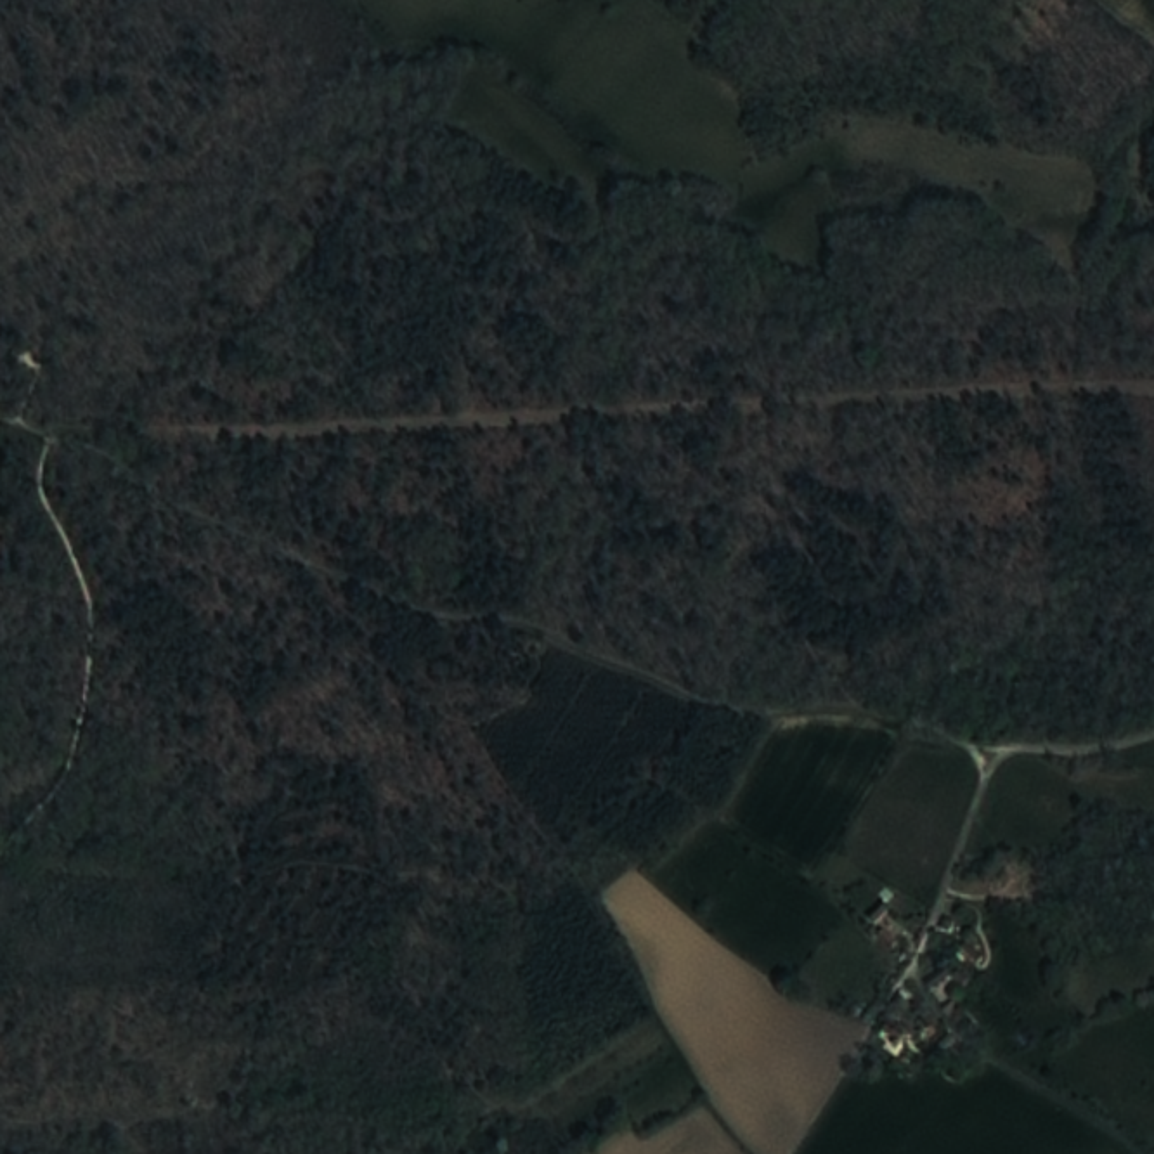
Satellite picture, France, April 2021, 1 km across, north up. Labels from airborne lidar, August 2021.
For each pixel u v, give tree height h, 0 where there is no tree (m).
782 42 26
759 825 0
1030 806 0
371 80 21
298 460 12
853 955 0
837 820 0
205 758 11
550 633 17
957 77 23
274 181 20
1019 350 12
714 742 17
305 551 0
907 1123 0
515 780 9
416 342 0
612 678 6
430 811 15
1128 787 0
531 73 0
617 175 9
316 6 10
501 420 0
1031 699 9
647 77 0
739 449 8
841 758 0
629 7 0
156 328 20
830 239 18
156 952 13
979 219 30
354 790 15
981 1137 0
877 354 17
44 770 21
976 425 7
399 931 14
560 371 0
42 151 13
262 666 9
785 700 0
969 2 26
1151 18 0
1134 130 21
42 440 0
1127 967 0
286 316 20
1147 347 15
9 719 24
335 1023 12
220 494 17
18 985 14
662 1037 0
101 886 13
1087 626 9
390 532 12
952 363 21
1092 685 13
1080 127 15
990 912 6
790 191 0
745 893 0
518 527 11
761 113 15
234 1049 18
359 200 14
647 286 9
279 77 10
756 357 16
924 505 13
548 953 17
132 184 12
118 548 19
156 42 16
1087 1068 0
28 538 22
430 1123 13
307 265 18
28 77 17
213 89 20
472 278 14
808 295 21
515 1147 9
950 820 0
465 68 21
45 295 16
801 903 0
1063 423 16
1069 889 11
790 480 14
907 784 0
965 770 0
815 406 17
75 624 13
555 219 24
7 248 16
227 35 10
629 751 8
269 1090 17
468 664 23
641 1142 13
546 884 15
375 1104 14
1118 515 15
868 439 17
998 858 14
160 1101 19
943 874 0
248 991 7
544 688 8
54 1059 13
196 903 13
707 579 24
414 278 18
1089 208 0
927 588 0
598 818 13
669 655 19
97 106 18
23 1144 10
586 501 18
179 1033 16
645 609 17
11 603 14
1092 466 15
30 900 16
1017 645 11
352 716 14
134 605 22
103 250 13
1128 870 25
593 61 0
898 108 15
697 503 21
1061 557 13
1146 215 10
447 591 20
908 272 25
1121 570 13
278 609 10
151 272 19
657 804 12
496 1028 13
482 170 22
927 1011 10
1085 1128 0
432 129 14
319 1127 26
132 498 14
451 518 19
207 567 16
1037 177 0
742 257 28
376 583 10
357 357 11
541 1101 0
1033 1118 0
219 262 7
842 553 0
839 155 0
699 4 10
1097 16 10
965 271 26
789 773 0
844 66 20
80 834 19
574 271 26
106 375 17
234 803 10
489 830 11
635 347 14
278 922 14
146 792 22
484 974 15
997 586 8
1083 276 19
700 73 12
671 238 23
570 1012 15
